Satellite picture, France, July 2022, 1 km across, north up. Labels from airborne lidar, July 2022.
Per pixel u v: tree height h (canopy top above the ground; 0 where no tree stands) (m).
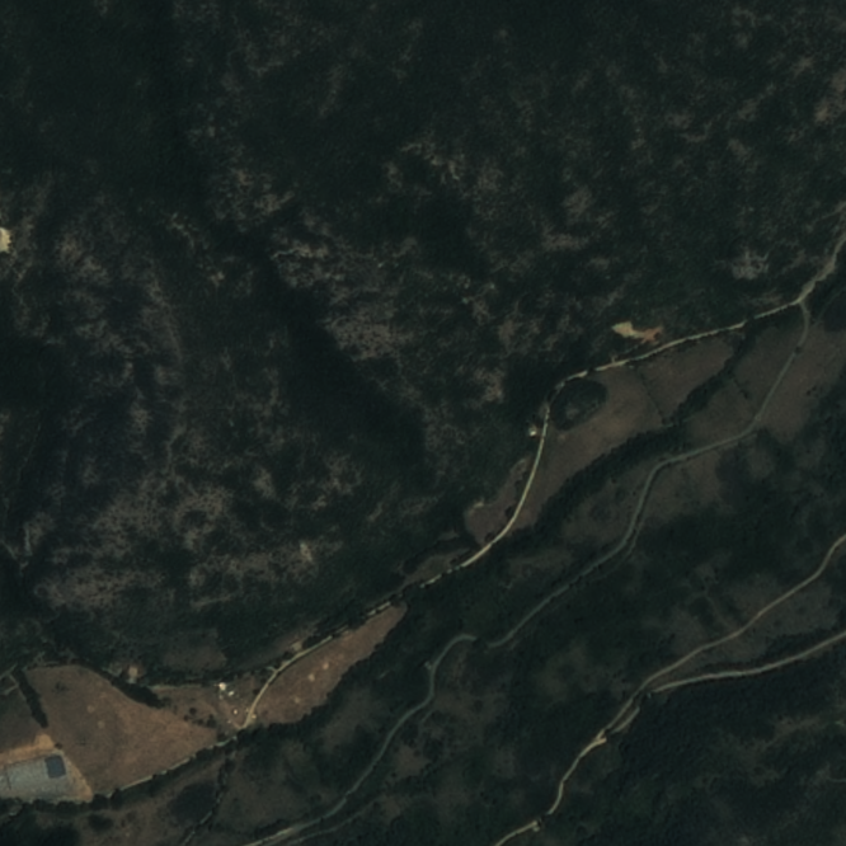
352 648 0
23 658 9
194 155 7
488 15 6
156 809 0
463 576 11
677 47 7
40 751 0
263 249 7
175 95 10
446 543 8
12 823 9
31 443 6
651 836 7
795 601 0
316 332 8
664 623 0
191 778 0
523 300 10
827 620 0
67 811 13
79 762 0
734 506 0
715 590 0
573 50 5
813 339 0
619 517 0
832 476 6
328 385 9
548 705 0
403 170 6
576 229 7
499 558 11
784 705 8
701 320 6
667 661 7
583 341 7
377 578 8
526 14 7
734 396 0
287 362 6
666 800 6
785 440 0
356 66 6
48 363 6
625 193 8
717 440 0
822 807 7
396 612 0
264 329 8
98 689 0
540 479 0
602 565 8
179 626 7
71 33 6
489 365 7
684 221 8
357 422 6
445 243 8
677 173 7
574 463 0
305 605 7
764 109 7
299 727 12
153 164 7
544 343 6
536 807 0
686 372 0
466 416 6
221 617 8
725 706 10
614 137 7
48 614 6
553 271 6
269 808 0
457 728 0
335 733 0
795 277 7
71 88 6
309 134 5
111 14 6
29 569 7
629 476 0
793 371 0
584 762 7
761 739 6
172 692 0
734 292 6
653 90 7
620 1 6
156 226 6
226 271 8
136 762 0
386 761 7
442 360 6
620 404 0
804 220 6
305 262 7
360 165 7
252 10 5
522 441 6
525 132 6
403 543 6
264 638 6
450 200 7
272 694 0
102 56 5
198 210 10
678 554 0
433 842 8
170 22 7
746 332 6
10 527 7
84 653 7
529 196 5
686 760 7
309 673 0
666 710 7
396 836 10
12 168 6
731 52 6
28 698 7
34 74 5
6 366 8
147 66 12
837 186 8
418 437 7
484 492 6
